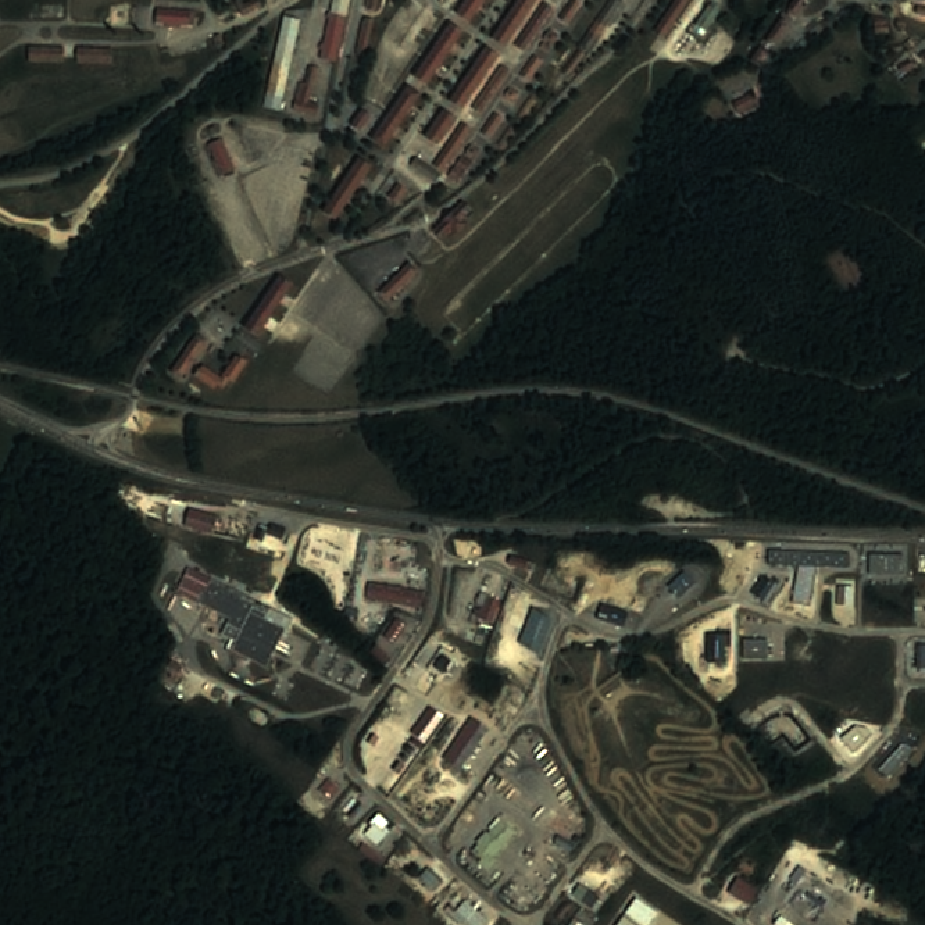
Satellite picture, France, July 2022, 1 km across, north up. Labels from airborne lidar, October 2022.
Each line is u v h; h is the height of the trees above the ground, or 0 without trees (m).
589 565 0
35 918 17
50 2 0
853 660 0
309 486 0
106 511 19
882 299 15
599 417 18
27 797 23
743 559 0
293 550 0
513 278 0
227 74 16
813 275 10
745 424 19
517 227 0
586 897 0
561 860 0
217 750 17
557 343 19
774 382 18
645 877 0
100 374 10
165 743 15
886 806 16
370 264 0
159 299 6
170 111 8
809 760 0
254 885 19
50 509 21
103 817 14
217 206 0
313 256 0
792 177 16
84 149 20
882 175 9
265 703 0
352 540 0
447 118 0
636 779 0
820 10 0
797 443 24
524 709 0
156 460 0
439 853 0
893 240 14
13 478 10
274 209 0
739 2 17
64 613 15
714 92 16
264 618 0
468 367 12
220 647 0
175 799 19
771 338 14
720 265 9
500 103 0
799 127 17
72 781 16
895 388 21
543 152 0
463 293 0
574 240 0
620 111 0
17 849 19
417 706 0
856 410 19
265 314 0
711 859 0
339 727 13
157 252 9
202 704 0
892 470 15
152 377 12
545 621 0
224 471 0
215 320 0
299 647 0
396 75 0
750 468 17
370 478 0
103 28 0
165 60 0
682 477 7
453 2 0
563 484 15
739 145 22
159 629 15
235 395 0
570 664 0
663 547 13
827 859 0
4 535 16
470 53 0
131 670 22
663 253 11
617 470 15
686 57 0
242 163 0
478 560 0
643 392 16
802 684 0
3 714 11
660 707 0
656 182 20
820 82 0
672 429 15
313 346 0
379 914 18
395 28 0
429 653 0
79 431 0
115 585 16
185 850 19
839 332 20
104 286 15
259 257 0
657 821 0
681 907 0
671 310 15
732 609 0
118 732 19
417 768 0
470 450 0
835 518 18
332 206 0
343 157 0
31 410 0
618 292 13
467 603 0
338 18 0
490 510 21
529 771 0
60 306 12
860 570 0
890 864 17
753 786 0
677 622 0
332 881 7
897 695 0
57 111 0
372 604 0
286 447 0
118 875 9
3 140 0
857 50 0
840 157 19
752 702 0
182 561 0
